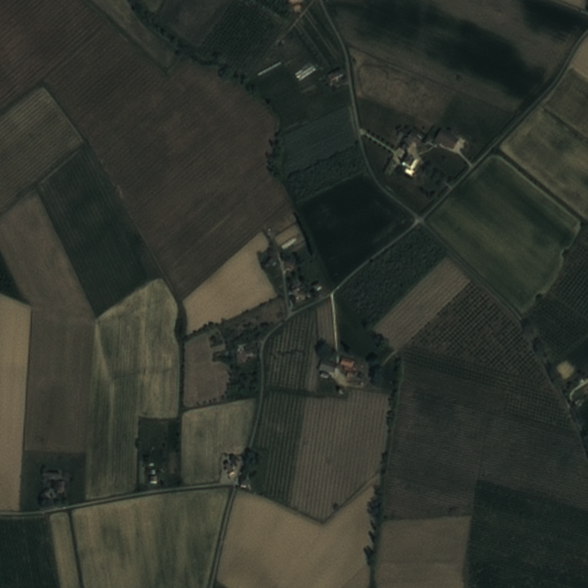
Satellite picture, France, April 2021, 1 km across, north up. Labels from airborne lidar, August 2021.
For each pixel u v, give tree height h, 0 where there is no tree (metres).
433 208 0
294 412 0
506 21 0
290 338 0
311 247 20
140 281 0
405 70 0
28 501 0
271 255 8
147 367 0
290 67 0
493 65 0
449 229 0
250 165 0
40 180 0
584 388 0
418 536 0
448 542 0
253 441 0
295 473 0
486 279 0
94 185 0
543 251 0
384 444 0
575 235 0
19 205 0
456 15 0
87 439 0
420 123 0
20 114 0
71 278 0
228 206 0
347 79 17
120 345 0
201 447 0
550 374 17
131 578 0
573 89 0
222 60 20
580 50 0
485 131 0
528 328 21
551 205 0
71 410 0
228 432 0
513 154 0
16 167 0
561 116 0
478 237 0
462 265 0
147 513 0
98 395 0
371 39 0
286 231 0
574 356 0
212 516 0
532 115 0
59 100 0
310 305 0
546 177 0
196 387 0
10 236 0
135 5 16
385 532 0
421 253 9
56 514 0
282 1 6
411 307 0
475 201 0
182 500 0
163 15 0
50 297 0
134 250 0
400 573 0
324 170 6
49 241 0
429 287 0
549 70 0
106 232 0
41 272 0
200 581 0
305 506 0
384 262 9
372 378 10
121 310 0
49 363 0
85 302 0
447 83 0
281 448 0
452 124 0
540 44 0
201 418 0
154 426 0
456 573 0
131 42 0
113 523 0
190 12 0
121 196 0
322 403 0
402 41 0
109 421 0
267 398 0
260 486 0
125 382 0
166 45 0
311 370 0
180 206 0
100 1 0
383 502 14
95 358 0
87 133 0
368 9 0
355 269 0
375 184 0
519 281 0
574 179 0
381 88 0
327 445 0
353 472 0
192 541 0
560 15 0
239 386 11
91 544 0
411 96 0
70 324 0
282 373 0
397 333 0
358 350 0
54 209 0
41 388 0
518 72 0
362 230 0
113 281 0
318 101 0
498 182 0
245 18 6
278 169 14
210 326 9
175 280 0
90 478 0
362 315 8
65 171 0
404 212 0
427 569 0
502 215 0
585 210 0
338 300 0
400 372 10
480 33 0
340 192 0
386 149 9
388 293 9
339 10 0
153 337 0
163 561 0
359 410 0
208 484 0
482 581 5
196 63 11
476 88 0
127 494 0
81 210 0
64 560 0
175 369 0
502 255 0
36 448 0
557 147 0
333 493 0
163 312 0
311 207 0
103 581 0
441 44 0
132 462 0
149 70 0
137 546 0
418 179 0
